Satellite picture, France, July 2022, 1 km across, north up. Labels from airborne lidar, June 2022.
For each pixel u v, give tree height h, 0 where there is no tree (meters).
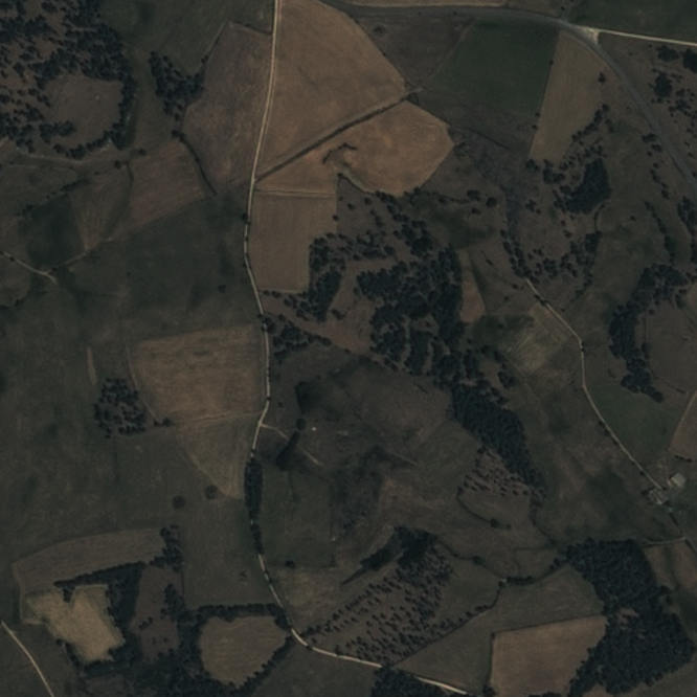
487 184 0
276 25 0
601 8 0
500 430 19
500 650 0
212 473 0
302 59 0
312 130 0
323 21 0
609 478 0
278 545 0
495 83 0
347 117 0
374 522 0
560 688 0
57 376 0
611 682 17
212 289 0
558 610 0
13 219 0
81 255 0
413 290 16
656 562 0
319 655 0
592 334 0
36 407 0
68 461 0
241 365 0
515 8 0
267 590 0
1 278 0
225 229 0
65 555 0
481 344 0
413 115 0
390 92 0
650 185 0
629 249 0
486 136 0
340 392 0
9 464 0
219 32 0
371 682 0
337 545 0
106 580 16
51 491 0
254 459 13
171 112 8
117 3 0
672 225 0
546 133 0
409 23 0
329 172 0
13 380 0
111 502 0
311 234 0
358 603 11
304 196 0
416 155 0
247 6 0
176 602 9
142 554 0
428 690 18
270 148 0
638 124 0
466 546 0
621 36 0
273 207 0
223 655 0
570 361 0
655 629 19
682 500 0
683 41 0
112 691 0
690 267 0
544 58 0
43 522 0
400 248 0
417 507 0
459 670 0
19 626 0
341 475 0
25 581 0
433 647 0
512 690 0
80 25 21
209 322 0
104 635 0
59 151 14
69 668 0
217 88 0
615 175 0
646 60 0
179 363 0
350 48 0
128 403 12
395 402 0
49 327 0
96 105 0
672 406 0
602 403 0
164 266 0
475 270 0
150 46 0
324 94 0
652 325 0
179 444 0
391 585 11
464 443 0
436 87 0
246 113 0
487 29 0
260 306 0
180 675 8
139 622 0
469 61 0
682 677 0
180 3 0
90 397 0
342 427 0
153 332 0
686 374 0
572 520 0
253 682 13
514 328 0
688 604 0
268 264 0
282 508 0
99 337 0
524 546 0
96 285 0
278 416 0
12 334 0
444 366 19
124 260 0
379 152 0
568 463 0
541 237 0
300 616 0
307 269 0
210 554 0
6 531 0
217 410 0
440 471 0
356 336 0
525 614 0
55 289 0
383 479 0
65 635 0
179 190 0
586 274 6
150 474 0
